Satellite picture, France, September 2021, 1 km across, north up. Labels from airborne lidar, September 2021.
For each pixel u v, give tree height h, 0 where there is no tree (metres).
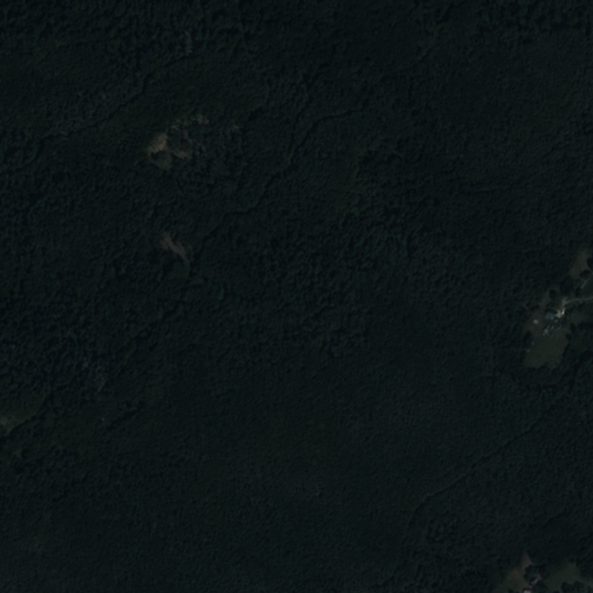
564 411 22
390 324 22
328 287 19
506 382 22
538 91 20
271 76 17
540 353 0
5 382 24
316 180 14
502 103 21
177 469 26
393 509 21
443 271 26
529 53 20
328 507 19
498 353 6
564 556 22
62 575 20
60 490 25
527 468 25
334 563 21
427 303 23
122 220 25
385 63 26
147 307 25
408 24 29
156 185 24
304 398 23
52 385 30
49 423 25
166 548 29
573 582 0
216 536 22
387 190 26
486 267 15
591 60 21
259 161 23
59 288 17
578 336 19
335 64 28
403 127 22
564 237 28
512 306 28
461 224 20
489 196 21
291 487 19
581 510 18
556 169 25
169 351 20
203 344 27
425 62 17
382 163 19
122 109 16
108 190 23
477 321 25
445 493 16
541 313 0
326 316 24
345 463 18
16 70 19
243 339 28
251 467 15
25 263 22
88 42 25
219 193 19
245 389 20
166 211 22
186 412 22
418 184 24
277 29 35
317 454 18
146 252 29
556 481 21
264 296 18
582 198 27
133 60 10
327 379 22
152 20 33
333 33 18
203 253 14
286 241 22
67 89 22
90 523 22
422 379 21
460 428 19
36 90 22
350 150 24
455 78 23
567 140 20
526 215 22
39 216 22
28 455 33
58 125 6
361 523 18
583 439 21
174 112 21
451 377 18
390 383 17
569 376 9
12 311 26
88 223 22
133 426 19
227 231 10
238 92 18
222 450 19
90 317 22
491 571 25
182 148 7
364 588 17
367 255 27
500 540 15
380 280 26
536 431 25
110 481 35
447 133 27
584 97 18
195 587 20
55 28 15
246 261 13
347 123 19
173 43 9
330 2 26
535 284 29
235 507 23
